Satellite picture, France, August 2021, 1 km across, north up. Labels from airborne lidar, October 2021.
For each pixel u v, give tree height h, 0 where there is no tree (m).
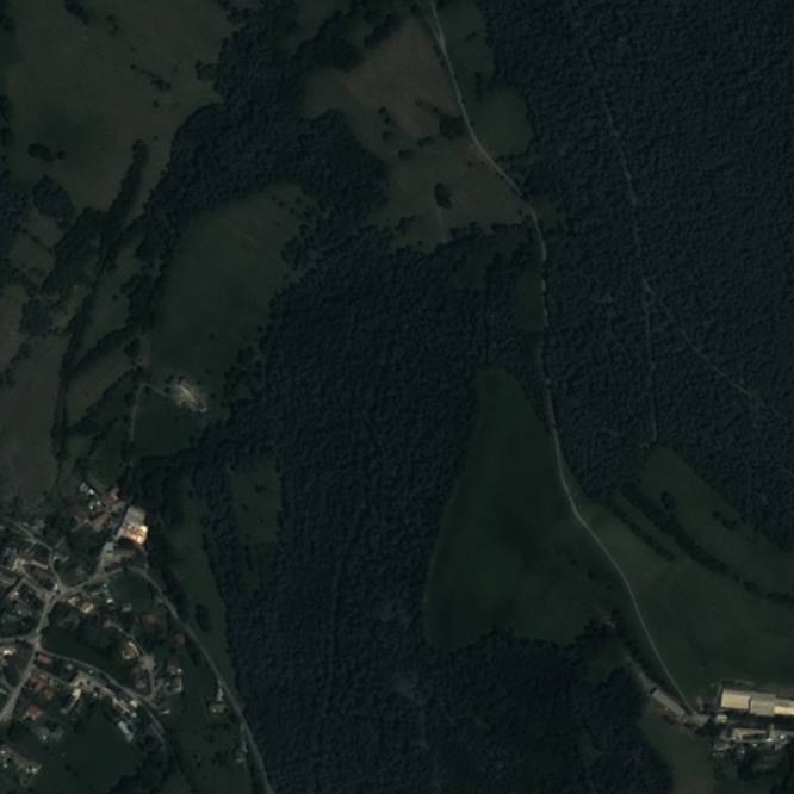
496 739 28
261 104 28
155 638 6
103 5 0
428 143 11
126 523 0
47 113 0
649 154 19
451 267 16
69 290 10
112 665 0
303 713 12
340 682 22
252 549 10
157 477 19
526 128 0
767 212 15
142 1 0
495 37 16
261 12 8
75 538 10
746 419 17
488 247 16
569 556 0
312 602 15
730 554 0
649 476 0
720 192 14
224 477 15
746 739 6
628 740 24
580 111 24
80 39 0
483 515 0
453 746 16
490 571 0
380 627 16
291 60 11
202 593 0
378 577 10
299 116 11
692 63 19
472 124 7
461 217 0
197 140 24
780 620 0
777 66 19
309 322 24
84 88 0
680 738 0
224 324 0
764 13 20
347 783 14
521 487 0
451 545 0
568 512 0
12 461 0
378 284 26
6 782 0
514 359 16
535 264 14
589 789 28
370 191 20
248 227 0
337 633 17
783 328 15
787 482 9
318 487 22
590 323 11
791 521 17
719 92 17
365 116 0
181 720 0
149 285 26
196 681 0
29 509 0
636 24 20
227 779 0
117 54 0
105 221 14
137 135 0
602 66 22
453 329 15
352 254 16
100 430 13
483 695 22
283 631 18
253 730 11
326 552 17
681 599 0
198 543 0
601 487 18
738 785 0
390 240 12
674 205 11
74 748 0
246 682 15
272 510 0
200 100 0
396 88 0
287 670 20
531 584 0
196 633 0
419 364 18
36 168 0
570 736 18
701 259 19
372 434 26
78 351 13
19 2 0
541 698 20
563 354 24
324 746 16
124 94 0
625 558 0
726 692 0
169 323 0
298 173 17
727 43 22
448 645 0
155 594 11
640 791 8
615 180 15
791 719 7
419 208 0
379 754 11
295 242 12
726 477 16
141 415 0
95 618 8
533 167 8
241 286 0
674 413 14
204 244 0
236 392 18
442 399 19
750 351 17
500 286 19
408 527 7
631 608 0
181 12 0
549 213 0
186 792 0
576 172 17
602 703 22
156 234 21
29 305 12
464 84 0
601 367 23
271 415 16
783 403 16
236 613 19
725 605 0
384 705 25
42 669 15
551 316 10
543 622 0
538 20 15
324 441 22
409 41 0
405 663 5
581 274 15
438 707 19
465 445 14
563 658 17
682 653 0
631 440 12
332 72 0
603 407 22
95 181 0
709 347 13
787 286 14
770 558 0
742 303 16
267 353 15
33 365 0
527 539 0
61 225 10
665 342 16
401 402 14
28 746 0
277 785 9
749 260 14
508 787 18
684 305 15
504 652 19
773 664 0
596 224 17
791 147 19
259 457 18
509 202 0
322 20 0
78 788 0
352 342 21
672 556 7
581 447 22
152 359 0
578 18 20
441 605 0
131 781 18
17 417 0
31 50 0
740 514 7
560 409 20
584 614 0
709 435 9
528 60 25
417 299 14
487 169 0
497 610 0
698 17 13
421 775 12
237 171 16
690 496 0
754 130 14
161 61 0
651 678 11
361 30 0
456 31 0
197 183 31
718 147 19
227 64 19
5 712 0
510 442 0
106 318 0
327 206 16
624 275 21
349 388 22
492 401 0
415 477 26
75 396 0
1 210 12
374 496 16
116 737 0
